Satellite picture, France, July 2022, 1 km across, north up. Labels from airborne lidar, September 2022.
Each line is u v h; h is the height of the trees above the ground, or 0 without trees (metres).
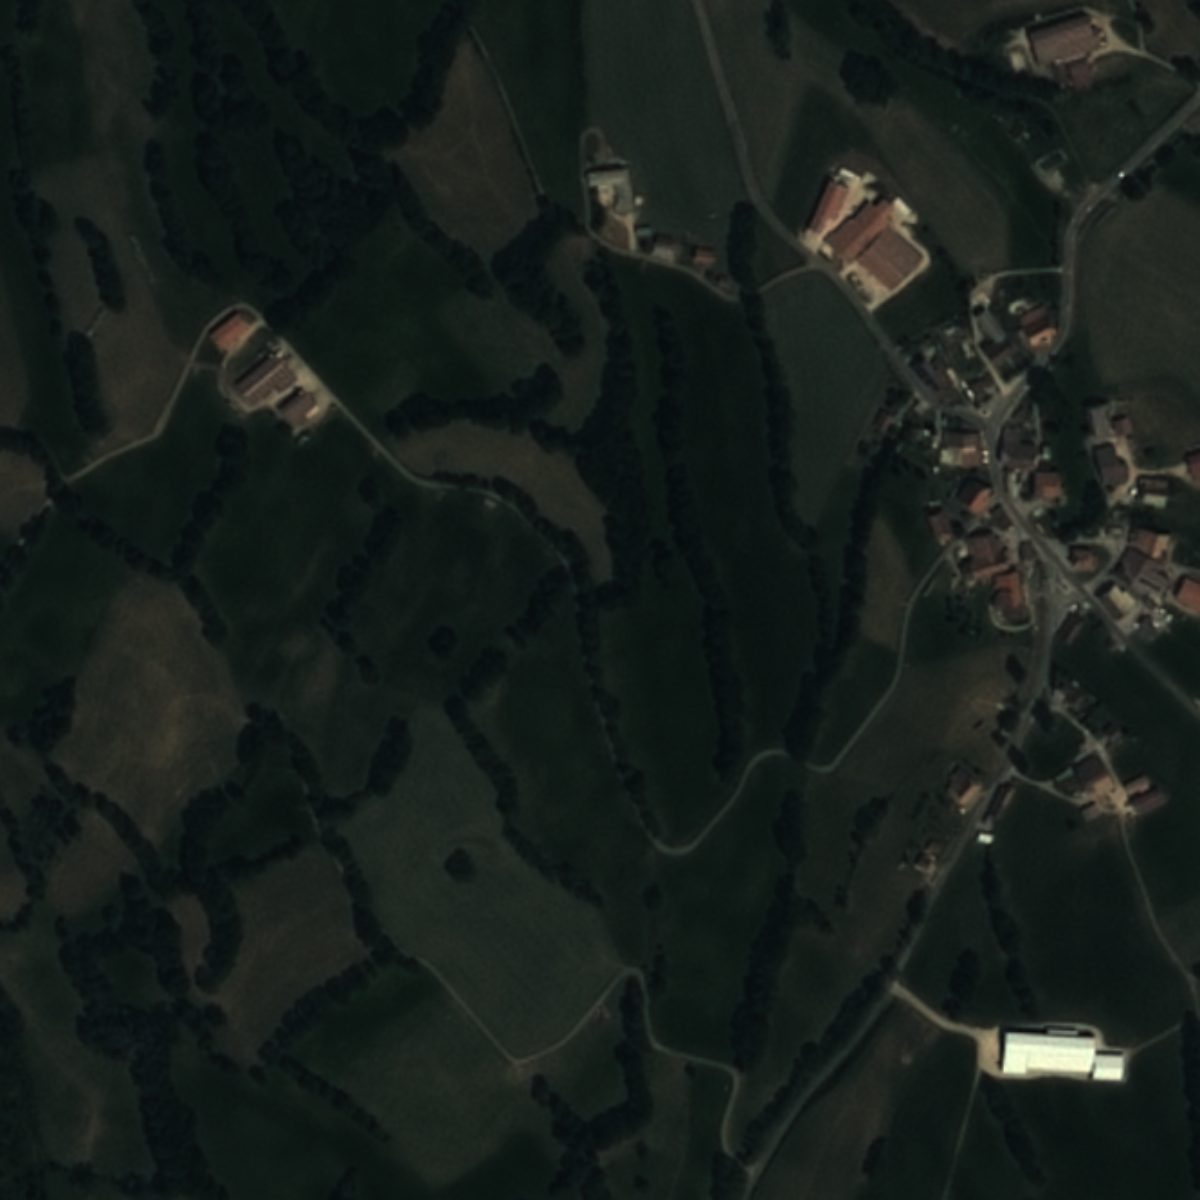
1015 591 0
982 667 0
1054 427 11
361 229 18
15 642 0
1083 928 0
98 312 0
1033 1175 16
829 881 0
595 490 17
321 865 0
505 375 0
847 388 0
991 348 0
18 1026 21
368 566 19
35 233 20
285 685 0
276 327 20
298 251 17
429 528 0
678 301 0
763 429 0
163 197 19
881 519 0
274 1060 14
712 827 0
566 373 0
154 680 0
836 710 0
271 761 0
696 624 0
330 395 0
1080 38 0
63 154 0
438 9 0
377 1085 0
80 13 0
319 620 0
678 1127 0
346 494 0
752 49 0
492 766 20
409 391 0
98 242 19
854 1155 0
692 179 0
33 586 0
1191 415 0
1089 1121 0
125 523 0
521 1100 0
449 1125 0
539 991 0
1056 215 7
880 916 0
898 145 0
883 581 0
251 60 0
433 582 0
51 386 0
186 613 0
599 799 0
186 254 23
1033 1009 14
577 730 0
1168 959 0
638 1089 20
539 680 0
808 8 0
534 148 0
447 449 0
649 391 0
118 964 0
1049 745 0
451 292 0
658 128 0
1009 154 0
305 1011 20
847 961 0
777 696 0
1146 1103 0
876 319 0
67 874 0
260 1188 0
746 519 0
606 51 0
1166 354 0
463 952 0
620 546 20
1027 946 0
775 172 0
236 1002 0
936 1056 0
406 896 0
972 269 0
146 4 18
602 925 0
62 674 0
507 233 0
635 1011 26
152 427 0
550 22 0
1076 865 0
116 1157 0
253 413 0
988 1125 0
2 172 0
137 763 0
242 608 0
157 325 0
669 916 0
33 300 0
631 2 0
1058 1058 0
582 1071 0
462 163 0
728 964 0
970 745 0
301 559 0
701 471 0
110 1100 0
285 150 19
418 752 0
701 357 0
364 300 0
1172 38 0
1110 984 0
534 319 7
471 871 19
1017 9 0
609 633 0
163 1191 17
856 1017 19
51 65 0
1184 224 0
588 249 0
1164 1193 0
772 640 0
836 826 0
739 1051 16
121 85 0
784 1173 0
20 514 0
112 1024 26
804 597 0
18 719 0
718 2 0
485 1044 0
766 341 21
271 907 0
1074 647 0
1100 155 0
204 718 0
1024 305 0
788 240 0
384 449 0
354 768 0
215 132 19
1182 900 0
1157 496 0
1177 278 0
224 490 14
